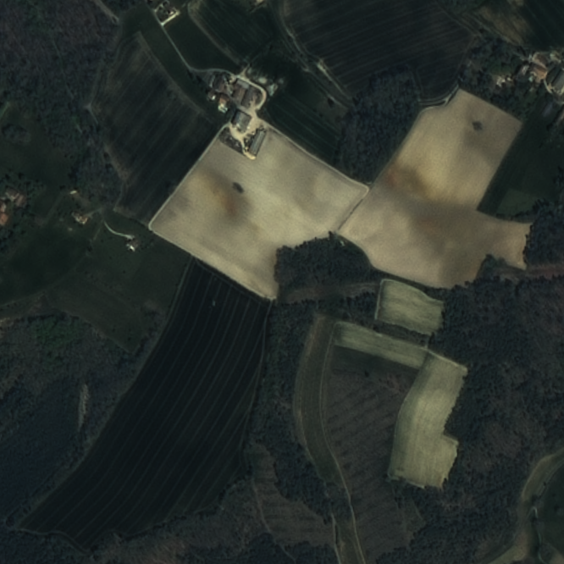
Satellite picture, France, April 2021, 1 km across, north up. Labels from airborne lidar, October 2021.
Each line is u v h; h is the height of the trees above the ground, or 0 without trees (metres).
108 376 17
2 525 11
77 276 0
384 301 0
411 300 0
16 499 12
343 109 0
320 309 10
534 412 15
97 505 0
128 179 0
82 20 15
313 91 0
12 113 0
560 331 18
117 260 0
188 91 0
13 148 0
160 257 0
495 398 8
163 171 0
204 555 12
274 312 13
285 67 0
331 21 0
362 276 11
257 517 7
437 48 0
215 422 0
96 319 0
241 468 0
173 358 0
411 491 8
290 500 16
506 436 13
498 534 10
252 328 0
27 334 20
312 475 20
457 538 10
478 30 0
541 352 22
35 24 21
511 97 9
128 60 0
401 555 8
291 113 0
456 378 0
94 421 12
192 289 0
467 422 7
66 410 10
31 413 7
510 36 0
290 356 11
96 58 23
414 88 22
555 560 0
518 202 0
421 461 0
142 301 0
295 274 19
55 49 19
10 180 13
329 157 0
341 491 14
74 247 0
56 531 0
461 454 10
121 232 0
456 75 0
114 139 0
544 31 0
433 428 0
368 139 20
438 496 18
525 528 0
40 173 0
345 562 0
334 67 0
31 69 13
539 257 24
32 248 0
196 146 0
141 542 18
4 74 22
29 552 13
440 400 0
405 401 0
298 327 13
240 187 9
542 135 0
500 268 19
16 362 11
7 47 15
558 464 0
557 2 0
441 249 0
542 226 23
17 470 10
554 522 0
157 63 0
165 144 0
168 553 17
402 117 17
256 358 0
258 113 8
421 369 0
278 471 11
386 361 0
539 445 11
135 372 21
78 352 22
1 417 25
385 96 20
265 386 6
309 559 16
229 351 0
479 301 23
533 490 0
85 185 21
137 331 0
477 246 0
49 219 0
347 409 0
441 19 0
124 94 0
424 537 9
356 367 0
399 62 0
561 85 0
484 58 21
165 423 0
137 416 0
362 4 0
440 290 9
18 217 15
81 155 13
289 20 0
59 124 23
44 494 10
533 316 16
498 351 14
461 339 17
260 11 0
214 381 0
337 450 0
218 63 0
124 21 0
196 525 15
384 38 0
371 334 0
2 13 12
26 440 8
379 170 16
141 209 0
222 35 0
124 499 0
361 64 0
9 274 0
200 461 0
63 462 7
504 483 14
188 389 0
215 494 0
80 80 18
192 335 0
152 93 0
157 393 0
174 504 0
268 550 10
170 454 0
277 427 14
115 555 15
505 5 0
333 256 14
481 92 12
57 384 11
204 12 0
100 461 0
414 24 0
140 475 0
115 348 7
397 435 0
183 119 0
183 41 0
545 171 0
